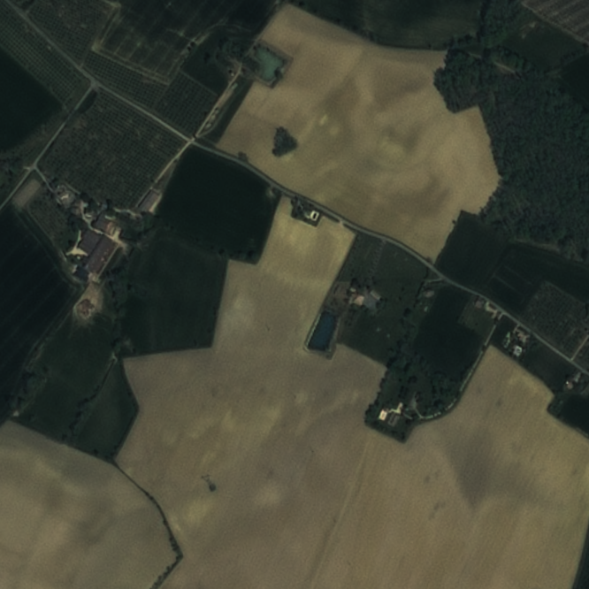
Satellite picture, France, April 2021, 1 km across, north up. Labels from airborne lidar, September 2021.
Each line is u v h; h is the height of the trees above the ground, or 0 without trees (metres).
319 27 0
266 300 0
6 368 0
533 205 26
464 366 0
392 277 0
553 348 0
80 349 0
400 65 0
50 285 0
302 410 0
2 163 11
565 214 25
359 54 0
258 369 0
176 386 0
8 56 0
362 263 0
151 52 0
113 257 0
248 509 0
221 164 0
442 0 0
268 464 0
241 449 0
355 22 0
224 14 0
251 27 0
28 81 0
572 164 24
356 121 0
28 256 0
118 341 9
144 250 0
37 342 0
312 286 0
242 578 0
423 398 8
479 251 0
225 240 0
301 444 0
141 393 0
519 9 23
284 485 0
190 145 0
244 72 10
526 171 21
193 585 0
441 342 0
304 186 0
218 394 0
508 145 19
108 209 7
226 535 0
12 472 0
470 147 0
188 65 0
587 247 25
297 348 0
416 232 0
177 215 0
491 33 20
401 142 0
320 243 0
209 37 0
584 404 0
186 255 0
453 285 0
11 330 0
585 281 0
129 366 0
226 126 0
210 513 0
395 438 10
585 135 27
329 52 0
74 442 6
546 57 0
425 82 0
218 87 0
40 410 0
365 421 9
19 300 0
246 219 0
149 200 0
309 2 0
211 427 0
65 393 0
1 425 0
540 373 0
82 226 10
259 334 0
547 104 22
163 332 0
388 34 0
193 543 0
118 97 0
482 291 0
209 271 0
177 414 0
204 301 0
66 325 0
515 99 19
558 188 23
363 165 0
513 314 0
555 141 24
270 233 0
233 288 0
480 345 0
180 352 0
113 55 0
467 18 0
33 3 10
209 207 0
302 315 0
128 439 0
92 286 0
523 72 15
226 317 0
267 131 0
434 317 0
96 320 0
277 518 0
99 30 0
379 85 0
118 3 0
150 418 0
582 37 7
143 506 0
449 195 0
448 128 0
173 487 0
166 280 0
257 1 0
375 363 0
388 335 0
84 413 16
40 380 15
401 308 0
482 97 17
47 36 0
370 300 0
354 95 0
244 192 0
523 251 0
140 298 0
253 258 18
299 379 0
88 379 0
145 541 0
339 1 0
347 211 0
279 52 0
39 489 0
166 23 0
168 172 0
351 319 8
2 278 0
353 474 0
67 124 17
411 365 14
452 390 14
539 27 0
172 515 0
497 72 27
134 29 0
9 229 0
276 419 0
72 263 5
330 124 0
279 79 13
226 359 0
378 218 0
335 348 0
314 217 0
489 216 20
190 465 0
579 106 17
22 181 0
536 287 0
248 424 0
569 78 0
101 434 0
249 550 0
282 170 0
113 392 0
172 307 0
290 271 0
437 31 0
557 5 7
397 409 0
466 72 24
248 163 13
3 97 0
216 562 0
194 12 0
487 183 0
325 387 0
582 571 0
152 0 0
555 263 0
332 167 0
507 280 0
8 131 0
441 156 0
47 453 0
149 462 0
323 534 0
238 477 0
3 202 0
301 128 0
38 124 0
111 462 11
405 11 0
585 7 7
